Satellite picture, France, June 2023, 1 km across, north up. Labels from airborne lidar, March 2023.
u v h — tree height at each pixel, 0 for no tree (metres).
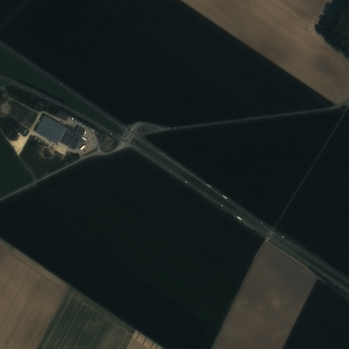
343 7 20
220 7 0
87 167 0
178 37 0
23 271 0
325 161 0
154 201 0
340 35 11
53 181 0
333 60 0
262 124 0
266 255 0
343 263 0
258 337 0
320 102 0
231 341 0
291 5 0
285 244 0
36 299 0
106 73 0
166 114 0
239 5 0
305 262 0
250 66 0
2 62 0
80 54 0
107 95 0
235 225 0
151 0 0
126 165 0
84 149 0
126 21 0
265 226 0
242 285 0
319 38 0
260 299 0
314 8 0
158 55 0
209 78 0
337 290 16
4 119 0
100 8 0
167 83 0
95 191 0
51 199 0
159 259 0
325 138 0
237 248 0
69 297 0
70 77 0
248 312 0
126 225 0
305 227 0
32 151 0
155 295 0
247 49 0
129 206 0
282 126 0
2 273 0
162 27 0
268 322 0
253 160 0
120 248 0
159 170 0
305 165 0
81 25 0
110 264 0
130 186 0
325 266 0
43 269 0
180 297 0
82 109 0
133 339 0
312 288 0
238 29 0
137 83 0
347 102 0
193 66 0
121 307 0
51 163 0
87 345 0
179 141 0
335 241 0
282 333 0
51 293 0
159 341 0
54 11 0
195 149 0
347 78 0
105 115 0
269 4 0
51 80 0
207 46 0
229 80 0
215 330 0
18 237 0
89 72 0
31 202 0
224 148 0
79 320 0
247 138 0
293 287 0
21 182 0
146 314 0
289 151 0
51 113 0
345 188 0
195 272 0
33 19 0
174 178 0
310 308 0
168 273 0
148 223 0
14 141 0
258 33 0
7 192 0
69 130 0
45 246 0
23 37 0
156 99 0
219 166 0
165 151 0
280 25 0
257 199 0
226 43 0
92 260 0
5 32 0
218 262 0
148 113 0
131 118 0
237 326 0
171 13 0
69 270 0
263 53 0
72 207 0
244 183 0
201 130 0
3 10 0
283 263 0
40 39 0
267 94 0
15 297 0
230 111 0
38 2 0
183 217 0
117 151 0
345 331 0
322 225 0
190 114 0
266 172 0
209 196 0
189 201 0
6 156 0
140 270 0
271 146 0
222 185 0
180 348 0
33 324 0
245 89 0
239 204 0
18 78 0
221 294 0
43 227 0
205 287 0
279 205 0
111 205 0
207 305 0
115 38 0
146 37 0
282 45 0
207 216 0
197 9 0
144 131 0
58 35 0
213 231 0
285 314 0
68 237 0
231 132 0
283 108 0
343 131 0
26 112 0
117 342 0
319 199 0
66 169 0
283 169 0
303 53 0
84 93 0
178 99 0
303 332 0
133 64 0
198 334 0
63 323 0
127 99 0
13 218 0
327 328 0
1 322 0
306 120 0
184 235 0
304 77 0
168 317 0
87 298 0
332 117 0
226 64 0
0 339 0
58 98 10
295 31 0
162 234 0
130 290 0
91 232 0
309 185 0
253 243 0
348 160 0
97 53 0
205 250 0
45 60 0
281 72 0
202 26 0
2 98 0
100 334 0
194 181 0
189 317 0
